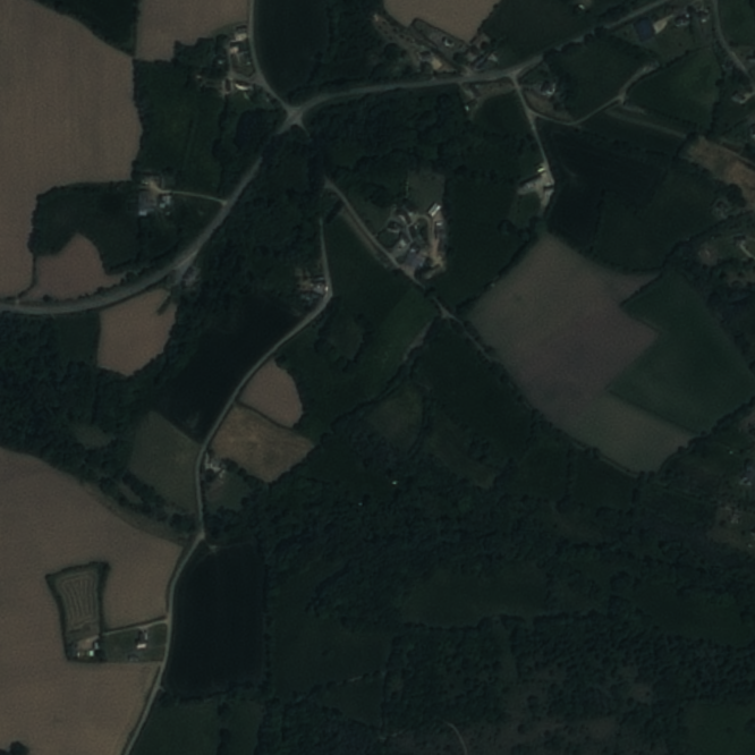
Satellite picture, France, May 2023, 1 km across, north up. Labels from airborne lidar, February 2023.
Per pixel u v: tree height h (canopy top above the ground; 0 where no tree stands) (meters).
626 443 0
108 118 0
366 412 11
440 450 0
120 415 21
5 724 0
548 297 0
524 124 0
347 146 26
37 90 0
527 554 19
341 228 0
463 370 0
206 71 12
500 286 0
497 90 0
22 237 0
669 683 21
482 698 8
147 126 11
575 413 0
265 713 15
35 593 0
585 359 0
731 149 0
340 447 0
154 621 0
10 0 0
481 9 0
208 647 0
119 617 0
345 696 0
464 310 12
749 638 0
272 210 17
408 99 13
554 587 11
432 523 13
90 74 0
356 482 0
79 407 18
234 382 0
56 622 0
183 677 0
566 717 6
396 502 16
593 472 0
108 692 0
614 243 0
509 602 0
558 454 0
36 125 0
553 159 7
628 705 8
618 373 0
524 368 0
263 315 0
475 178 13
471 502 20
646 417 0
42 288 0
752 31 0
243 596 0
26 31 0
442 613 0
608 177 0
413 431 0
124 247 0
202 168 0
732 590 24
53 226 0
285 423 0
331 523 16
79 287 0
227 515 23
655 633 13
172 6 0
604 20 12
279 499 12
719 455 0
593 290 0
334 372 0
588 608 0
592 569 0
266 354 0
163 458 0
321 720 15
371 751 15
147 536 0
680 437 0
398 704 8
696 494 12
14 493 0
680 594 13
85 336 0
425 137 18
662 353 0
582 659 11
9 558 0
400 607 6
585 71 0
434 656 13
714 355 0
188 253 0
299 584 0
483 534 11
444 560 19
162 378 9
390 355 0
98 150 0
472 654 13
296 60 0
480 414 0
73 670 0
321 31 0
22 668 0
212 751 0
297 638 0
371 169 18
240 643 0
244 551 0
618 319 0
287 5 0
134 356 0
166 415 0
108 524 0
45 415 29
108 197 0
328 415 0
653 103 0
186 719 0
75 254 0
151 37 0
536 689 0
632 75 0
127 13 0
